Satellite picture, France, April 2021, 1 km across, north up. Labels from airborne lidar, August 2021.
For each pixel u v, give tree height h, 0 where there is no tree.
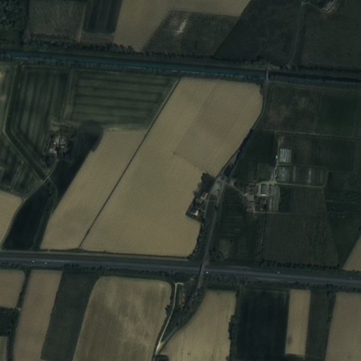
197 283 0
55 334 0
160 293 0
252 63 13
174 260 0
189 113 0
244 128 0
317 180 0
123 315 0
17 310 9
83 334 0
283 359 0
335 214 5
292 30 0
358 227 0
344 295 0
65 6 27
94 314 0
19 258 0
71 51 20
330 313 8
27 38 25
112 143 0
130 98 0
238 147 0
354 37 0
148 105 0
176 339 0
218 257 25
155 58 13
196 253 18
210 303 0
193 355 0
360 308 0
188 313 11
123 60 0
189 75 8
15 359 0
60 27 27
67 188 0
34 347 0
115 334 0
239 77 14
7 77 0
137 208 0
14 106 0
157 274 10
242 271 0
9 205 0
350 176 6
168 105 0
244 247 6
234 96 0
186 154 0
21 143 0
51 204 0
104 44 0
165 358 9
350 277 0
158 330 0
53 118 0
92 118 0
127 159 0
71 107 0
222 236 0
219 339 0
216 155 0
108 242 0
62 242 0
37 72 0
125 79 0
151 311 0
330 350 0
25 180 0
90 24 0
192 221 0
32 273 0
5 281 0
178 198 0
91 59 0
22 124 0
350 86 26
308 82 22
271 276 0
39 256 0
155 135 0
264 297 0
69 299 0
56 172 0
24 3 9
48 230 0
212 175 0
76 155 0
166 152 0
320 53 0
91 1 0
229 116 0
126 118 0
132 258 0
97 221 0
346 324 0
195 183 0
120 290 0
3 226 0
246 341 0
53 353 0
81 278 0
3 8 23
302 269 18
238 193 6
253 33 0
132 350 0
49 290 0
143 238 0
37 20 29
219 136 0
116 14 0
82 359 0
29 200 0
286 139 0
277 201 0
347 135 0
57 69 0
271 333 0
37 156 0
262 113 0
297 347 0
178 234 0
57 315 0
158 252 0
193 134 0
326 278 0
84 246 0
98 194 0
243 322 0
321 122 0
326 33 0
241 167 0
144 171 0
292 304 0
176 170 0
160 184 0
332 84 25
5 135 0
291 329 0
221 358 0
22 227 0
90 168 0
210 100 0
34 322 0
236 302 0
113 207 0
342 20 0
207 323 0
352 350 0
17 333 0
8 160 0
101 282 0
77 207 0
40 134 0
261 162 0
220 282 18
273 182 0
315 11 0
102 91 0
